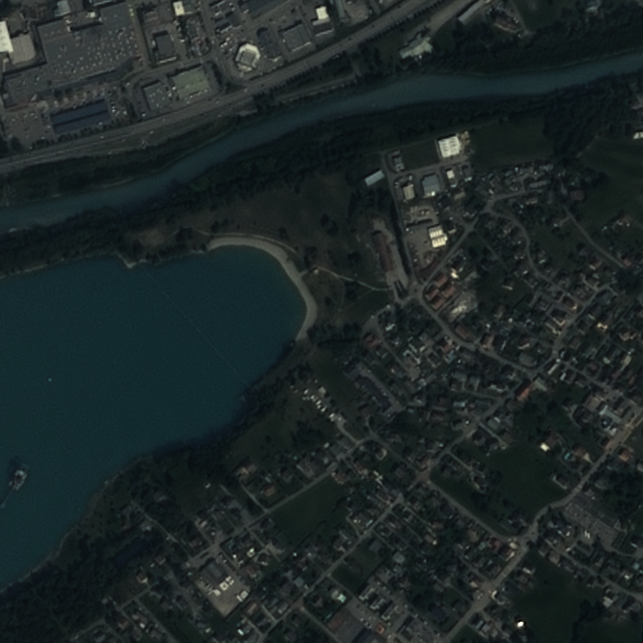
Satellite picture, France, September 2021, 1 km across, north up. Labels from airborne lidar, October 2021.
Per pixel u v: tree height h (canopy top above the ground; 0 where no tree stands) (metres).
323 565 6
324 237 0
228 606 0
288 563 8
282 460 7
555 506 0
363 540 0
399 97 0
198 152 0
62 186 6
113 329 0
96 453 0
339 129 6
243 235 0
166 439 0
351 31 0
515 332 7
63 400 0
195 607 0
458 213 0
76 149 0
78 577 14
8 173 6
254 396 13
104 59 0
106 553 28
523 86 0
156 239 0
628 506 12
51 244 15
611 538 0
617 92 23
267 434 0
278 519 0
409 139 7
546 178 6
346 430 0
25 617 18
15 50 0
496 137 0
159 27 0
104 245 16
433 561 7
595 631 0
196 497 0
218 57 0
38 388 0
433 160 0
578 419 6
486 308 6
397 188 0
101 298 0
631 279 15
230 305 0
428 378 0
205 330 0
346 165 18
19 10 0
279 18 0
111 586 15
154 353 0
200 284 0
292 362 0
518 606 0
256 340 0
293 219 0
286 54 0
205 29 0
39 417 0
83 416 0
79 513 0
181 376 0
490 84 0
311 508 0
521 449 0
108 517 0
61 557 0
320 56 0
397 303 0
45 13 0
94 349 0
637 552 0
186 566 0
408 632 0
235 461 0
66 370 0
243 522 0
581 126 16
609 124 16
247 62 0
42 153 0
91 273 0
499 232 9
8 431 0
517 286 0
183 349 0
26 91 0
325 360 0
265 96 8
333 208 0
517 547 0
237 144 0
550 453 7
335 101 0
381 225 0
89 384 0
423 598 8
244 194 14
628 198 0
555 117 16
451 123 14
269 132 0
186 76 0
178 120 0
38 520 0
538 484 0
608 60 0
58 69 0
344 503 7
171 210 18
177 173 0
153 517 16
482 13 0
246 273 0
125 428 0
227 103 0
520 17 0
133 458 0
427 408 7
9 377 0
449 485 0
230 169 8
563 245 0
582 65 0
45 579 14
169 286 0
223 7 0
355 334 12
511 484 0
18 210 0
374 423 11
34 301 0
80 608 20
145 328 0
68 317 0
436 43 0
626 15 21
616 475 11
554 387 8
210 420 0
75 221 7
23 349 0
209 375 0
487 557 8
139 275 0
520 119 8
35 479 0
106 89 0
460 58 17
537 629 0
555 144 15
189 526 7
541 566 0
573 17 15
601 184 18
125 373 0
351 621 0
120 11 0
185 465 0
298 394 0
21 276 0
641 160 0
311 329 0
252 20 0
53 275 0
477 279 0
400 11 0
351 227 9
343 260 0
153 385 0
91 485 0
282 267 0
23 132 0
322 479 0
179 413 0
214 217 0
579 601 0
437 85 0
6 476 0
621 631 0
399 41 0
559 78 0
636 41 9
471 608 0
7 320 0
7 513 0
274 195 0
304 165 23
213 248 0
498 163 0
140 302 0
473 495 7
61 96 9
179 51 0
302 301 0
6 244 11
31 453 0
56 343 0
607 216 0
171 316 0
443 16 0
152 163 6
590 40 11
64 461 0
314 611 10
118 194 0
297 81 9
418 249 0
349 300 10
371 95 0
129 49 0
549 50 8
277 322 0
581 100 21
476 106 9
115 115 0
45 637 16
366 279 0
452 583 0
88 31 0
